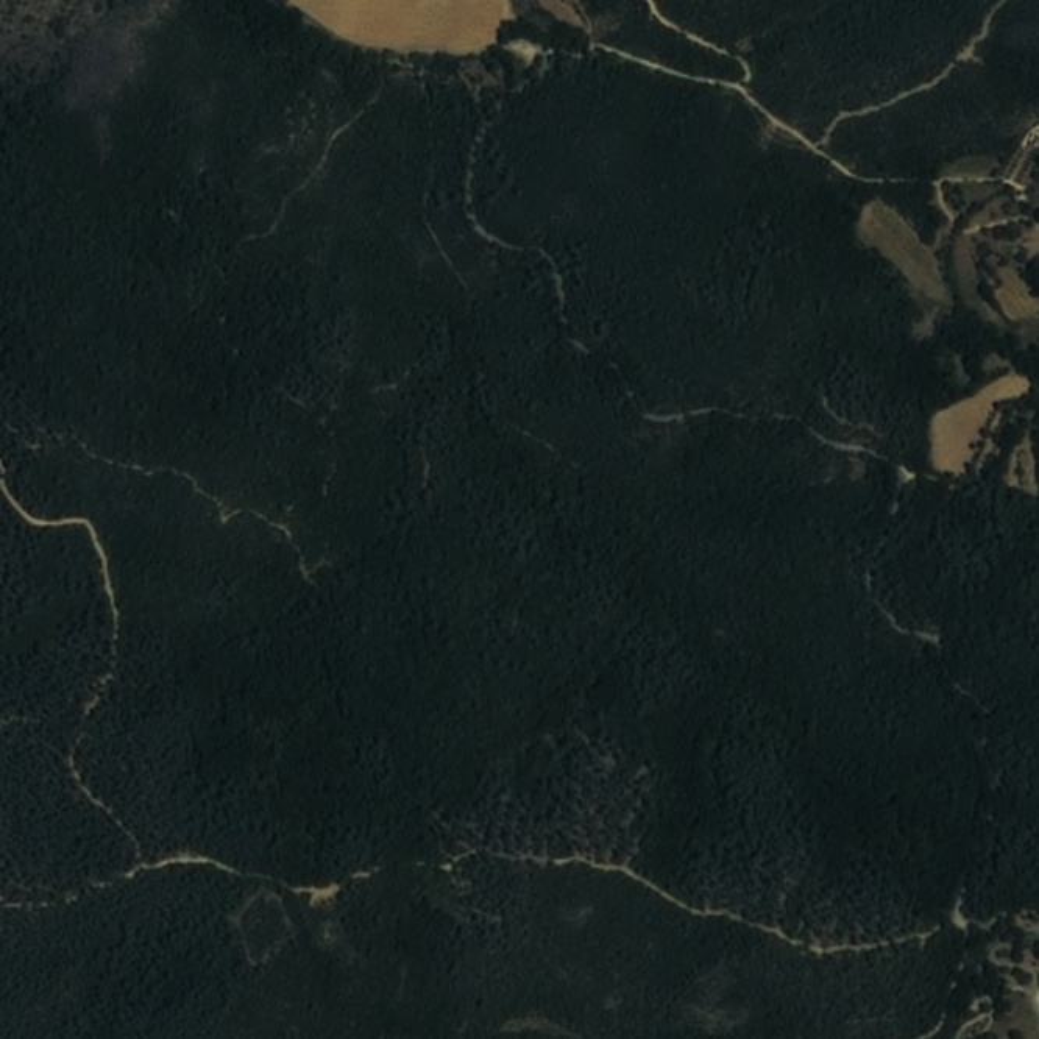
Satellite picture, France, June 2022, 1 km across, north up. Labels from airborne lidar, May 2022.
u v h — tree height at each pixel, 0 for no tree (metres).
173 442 8
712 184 7
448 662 8
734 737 16
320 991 11
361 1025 10
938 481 9
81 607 6
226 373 15
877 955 14
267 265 13
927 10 8
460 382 10
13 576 16
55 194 9
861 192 10
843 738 13
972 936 7
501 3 0
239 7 11
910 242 0
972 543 7
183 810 16
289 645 8
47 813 18
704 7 7
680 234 9
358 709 16
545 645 6
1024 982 6
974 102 7
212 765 14
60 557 10
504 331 7
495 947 6
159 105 6
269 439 10
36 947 13
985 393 0
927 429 10
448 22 0
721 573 7
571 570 11
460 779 10
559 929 6
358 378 8
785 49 8
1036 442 10
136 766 16
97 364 6
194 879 19
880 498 7
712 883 18
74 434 11
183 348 15
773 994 7
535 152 5
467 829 20
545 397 9
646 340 6
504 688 7
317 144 0
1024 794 14
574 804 20
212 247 12
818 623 7
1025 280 7
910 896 12
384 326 7
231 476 8
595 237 6
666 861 13
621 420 8
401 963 7
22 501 14
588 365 11
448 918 13
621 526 13
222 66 6
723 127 6
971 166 0
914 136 8
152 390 12
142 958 14
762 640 8
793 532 13
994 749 12
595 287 8
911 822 18
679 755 12
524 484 8
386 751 10
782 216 10
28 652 8
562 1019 7
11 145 16
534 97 8
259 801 12
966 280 0
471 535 10
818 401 11
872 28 8
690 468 10
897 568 10
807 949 10
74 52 8
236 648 17
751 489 11
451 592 6
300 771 19
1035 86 7
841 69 7
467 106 10
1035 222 9
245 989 7
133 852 15
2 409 15
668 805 14
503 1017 6
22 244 10
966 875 9
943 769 18
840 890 21
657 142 9
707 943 11
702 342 8
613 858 6
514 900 15
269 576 8
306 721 14
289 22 13
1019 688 12
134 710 11
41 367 14
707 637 10
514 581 8
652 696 7
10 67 8
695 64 7
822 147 7
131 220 6
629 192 6
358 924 11
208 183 16
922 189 12
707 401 8
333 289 5
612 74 10
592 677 13
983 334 10
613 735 8
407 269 7
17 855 19
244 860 6
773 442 13
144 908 16
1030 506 14
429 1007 6
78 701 6
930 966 13
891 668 14
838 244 9
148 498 9
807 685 10
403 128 6
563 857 8
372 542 12
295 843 15
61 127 8
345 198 6
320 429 7
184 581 8
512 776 10
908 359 13
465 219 8
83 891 15
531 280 6
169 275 12
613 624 8
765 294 15
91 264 8
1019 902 11
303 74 7
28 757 15
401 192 6
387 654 11
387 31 0
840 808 18
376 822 14
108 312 6
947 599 8
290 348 13
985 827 15
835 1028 9
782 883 19
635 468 7
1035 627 12
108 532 7
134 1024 16
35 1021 12
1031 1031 0
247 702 17
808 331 6
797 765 18
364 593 10
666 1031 7
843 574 9
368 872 11
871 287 8
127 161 6
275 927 8
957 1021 13
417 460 6
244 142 11
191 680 14
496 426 19
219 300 6
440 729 10
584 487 14
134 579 8
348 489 8
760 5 8
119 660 19
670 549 10
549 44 11
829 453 8
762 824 16
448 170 6
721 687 15
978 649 13
